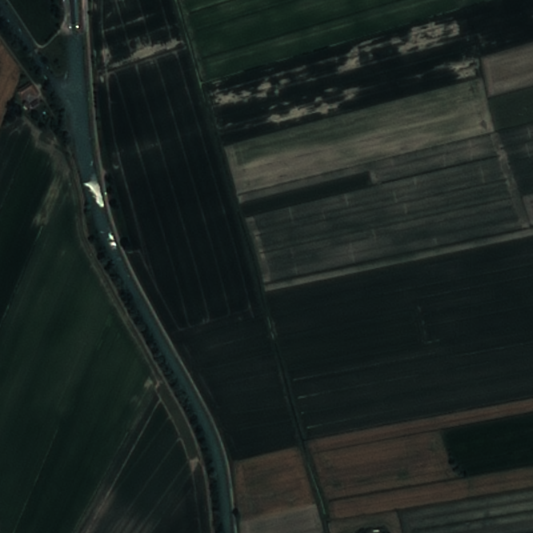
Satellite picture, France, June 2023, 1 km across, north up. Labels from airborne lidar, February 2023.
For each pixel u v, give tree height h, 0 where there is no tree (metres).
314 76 0
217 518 6
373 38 0
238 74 0
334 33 0
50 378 0
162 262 0
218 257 0
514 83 0
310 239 0
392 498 0
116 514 0
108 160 0
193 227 0
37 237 0
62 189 0
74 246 0
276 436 0
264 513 0
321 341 0
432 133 0
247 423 0
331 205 0
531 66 0
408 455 0
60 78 0
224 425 0
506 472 0
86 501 0
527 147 0
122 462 0
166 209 0
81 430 0
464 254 0
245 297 0
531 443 0
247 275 0
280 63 0
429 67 0
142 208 0
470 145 0
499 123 0
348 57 0
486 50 0
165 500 0
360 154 0
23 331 0
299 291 0
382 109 0
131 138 0
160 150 0
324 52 0
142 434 0
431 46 0
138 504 0
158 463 0
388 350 0
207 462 8
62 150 0
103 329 0
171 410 0
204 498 0
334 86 0
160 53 0
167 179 0
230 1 0
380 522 0
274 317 0
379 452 0
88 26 0
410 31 0
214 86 0
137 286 0
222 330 0
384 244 0
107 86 0
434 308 0
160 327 0
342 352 0
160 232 0
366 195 0
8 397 0
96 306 0
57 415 0
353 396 0
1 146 0
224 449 0
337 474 0
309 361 0
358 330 0
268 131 0
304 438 0
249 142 0
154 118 0
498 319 0
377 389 0
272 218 0
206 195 0
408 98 0
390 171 0
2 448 0
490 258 0
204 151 0
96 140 0
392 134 0
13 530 0
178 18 0
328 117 0
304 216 0
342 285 0
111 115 0
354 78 0
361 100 0
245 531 0
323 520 0
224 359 0
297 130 0
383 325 0
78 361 0
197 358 0
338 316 0
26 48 7
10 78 0
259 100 0
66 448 0
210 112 0
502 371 0
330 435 0
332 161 0
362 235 0
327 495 0
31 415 0
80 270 0
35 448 0
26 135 0
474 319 0
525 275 0
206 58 0
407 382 0
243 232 0
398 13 0
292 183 0
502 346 0
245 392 0
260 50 0
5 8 0
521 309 0
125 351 0
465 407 0
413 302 0
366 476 0
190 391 0
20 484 0
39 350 0
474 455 0
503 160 0
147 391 0
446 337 0
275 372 0
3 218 0
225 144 0
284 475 0
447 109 0
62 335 0
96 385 0
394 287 0
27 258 0
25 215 0
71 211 0
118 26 0
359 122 0
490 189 0
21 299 0
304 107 0
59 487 0
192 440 0
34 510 0
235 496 0
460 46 0
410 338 0
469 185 0
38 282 0
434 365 0
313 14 0
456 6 0
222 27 0
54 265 0
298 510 0
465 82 0
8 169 0
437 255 0
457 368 0
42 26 0
